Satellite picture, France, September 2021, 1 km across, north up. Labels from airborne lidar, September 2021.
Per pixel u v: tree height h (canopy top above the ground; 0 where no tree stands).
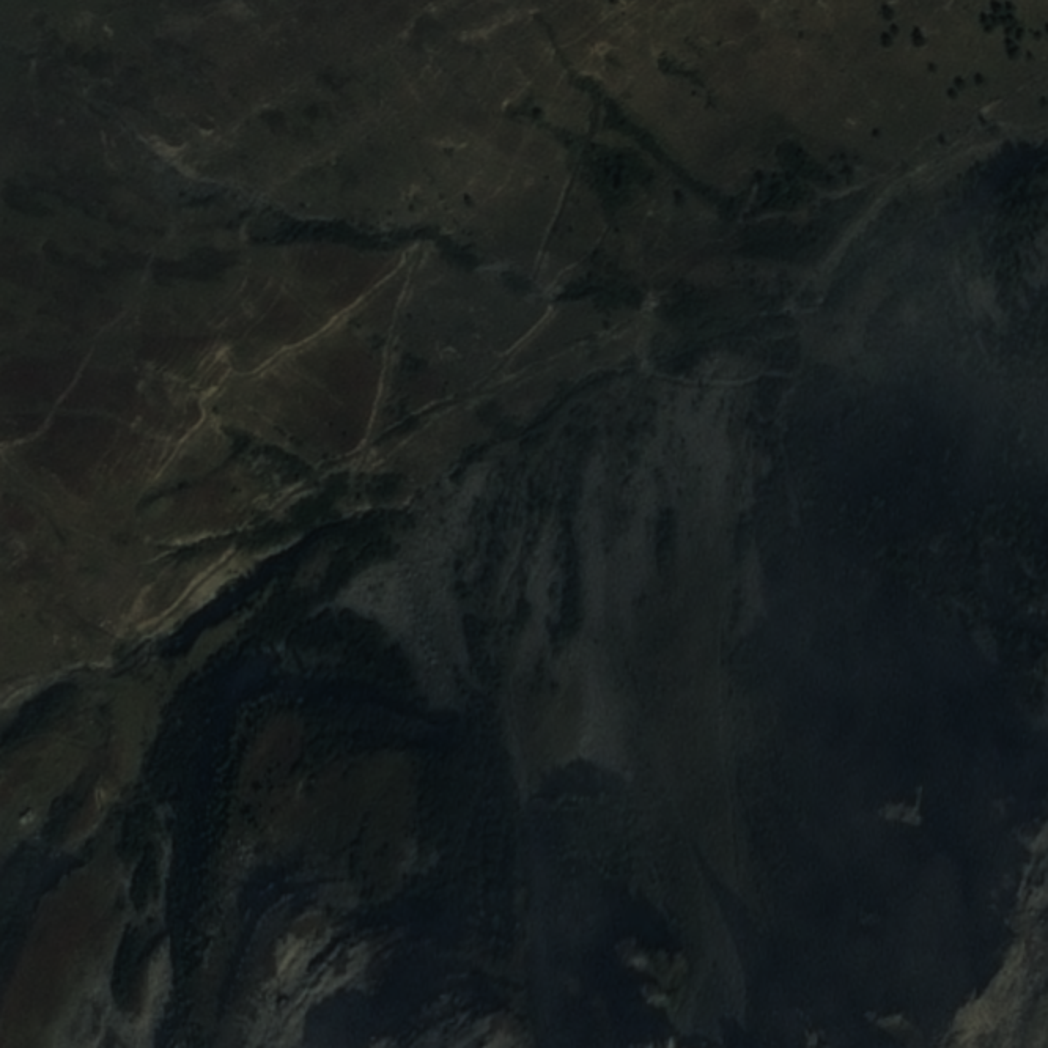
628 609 0
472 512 0
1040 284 0
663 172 0
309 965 0
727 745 0
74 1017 0
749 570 0
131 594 0
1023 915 0
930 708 0
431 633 0
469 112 0
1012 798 0
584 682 0
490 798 5
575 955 0
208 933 0
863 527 17
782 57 0
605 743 0
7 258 0
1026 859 0
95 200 0
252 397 0
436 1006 0
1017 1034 0
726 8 0
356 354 0
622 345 0
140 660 0
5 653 0
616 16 0
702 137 0
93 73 0
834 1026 0
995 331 10
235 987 0
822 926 0
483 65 0
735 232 0
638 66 0
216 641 0
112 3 0
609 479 0
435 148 0
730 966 0
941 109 0
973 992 0
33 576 0
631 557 0
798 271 0
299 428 0
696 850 0
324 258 0
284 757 0
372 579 0
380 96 0
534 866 0
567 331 0
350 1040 0
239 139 0
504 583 0
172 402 0
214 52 0
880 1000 0
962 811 0
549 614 0
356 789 0
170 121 0
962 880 0
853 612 13
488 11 0
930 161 0
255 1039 0
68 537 0
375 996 0
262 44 0
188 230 0
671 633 0
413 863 0
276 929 0
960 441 6
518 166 0
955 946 0
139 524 0
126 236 0
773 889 0
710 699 0
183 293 0
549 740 0
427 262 0
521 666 0
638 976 0
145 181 0
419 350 0
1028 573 0
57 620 0
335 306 0
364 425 0
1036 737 0
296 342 0
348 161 0
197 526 0
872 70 0
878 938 0
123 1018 0
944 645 0
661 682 0
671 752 0
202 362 0
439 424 0
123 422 0
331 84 0
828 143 0
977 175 9
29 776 0
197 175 0
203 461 0
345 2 0
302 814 0
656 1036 0
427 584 0
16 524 0
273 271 0
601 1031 0
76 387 0
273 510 0
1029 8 0
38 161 0
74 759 0
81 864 0
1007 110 0
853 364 6
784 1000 0
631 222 0
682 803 0
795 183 20
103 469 0
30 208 0
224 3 0
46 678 0
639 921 0
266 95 0
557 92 0
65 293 0
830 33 0
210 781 10
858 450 5
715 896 0
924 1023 0
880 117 0
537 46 0
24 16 0
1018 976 0
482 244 0
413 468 0
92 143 0
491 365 0
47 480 0
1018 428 12
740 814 0
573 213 0
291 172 0
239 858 0
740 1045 0
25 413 0
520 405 0
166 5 0
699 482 0
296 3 0
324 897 0
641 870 0
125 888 0
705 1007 0
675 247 0
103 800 0
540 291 0
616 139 0
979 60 0
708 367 0
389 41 0
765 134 0
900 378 13
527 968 0
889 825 0
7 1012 0
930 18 0
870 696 0
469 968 0
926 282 14
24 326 0
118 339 0
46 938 0
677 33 0
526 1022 0
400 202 0
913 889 0
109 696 0
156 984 0
